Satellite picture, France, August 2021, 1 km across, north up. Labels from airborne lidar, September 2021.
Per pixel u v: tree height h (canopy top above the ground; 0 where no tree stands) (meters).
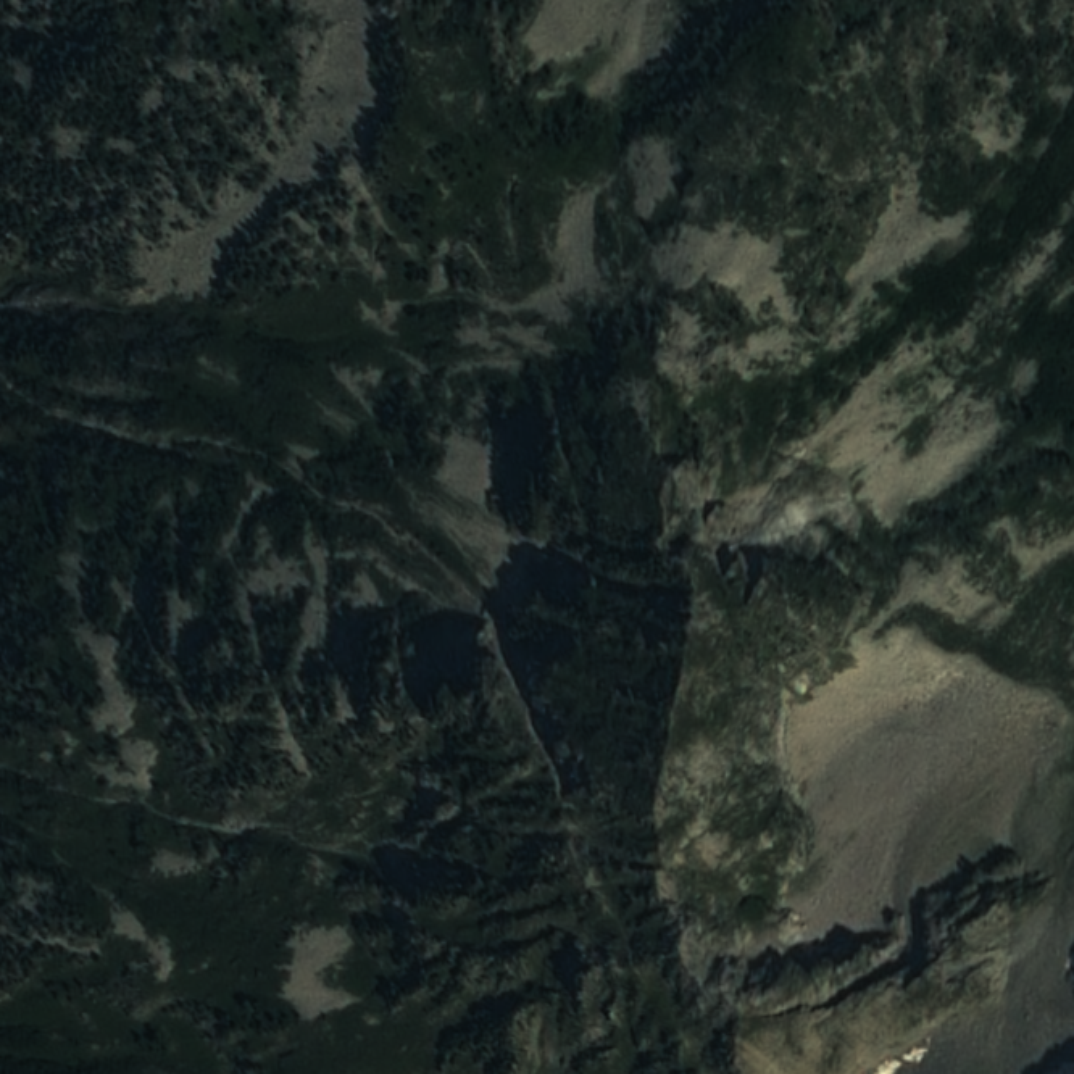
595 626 6
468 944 0
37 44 16
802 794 0
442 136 0
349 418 0
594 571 0
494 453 0
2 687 12
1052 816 0
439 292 0
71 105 7
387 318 0
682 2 0
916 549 0
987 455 0
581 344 0
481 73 0
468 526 0
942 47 0
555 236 0
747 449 0
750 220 0
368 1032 0
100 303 0
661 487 0
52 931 12
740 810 0
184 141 13
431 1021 0
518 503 9
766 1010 0
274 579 0
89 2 12
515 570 0
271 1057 0
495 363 0
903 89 6
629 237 0
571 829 0
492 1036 8
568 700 0
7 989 8
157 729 0
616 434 0
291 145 0
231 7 0
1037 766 0
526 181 0
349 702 0
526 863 6
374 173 10
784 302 0
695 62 11
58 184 11
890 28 0
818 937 0
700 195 0
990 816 0
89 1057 0
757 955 0
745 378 0
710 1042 0
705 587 0
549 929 0
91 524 0
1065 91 0
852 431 0
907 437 0
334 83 0
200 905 0
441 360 0
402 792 0
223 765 0
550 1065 0
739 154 0
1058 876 0
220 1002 0
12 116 9
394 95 11
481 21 0
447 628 0
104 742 0
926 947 0
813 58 0
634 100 0
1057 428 0
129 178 8
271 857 0
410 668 0
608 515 0
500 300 0
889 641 0
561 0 0
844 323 0
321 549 0
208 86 7
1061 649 0
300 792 0
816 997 0
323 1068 0
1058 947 0
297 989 0
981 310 0
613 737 0
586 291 0
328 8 0
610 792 0
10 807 0
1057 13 0
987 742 0
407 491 0
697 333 0
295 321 0
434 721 7
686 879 0
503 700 0
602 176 0
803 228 0
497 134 0
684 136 0
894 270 0
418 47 0
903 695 0
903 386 0
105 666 0
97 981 0
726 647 0
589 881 0
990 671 0
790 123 0
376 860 0
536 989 6
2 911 15
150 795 0
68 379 7
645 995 0
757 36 5
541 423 8
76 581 0
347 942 0
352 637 6
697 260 0
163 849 0
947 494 0
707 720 0
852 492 0
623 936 0
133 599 0
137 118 7
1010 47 7
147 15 8
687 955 0
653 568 10
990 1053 0
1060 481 0
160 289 0
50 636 7
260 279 16
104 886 0
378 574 0
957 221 0
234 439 0
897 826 0
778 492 0
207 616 0
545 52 0
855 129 0
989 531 0
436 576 0
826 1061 0
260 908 0
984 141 0
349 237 12
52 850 0
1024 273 0
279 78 0
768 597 0
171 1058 0
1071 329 6
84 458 7
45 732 7
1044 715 0
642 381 0
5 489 11
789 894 0
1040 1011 0
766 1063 0
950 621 0
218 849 0
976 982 0
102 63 10
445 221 0
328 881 0
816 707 0
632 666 0
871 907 0
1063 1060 0
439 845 9
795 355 0
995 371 0
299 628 0
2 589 6
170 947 0
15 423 8
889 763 0
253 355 0
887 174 0
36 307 0
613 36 0
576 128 8
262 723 0
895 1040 0
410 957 11
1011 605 0
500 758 0
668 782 0
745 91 0
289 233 10
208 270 0
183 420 0
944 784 0
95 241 14
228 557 0
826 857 0
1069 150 0
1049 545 0
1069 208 0
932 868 0
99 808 0
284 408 0
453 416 0
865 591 7
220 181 10
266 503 6
